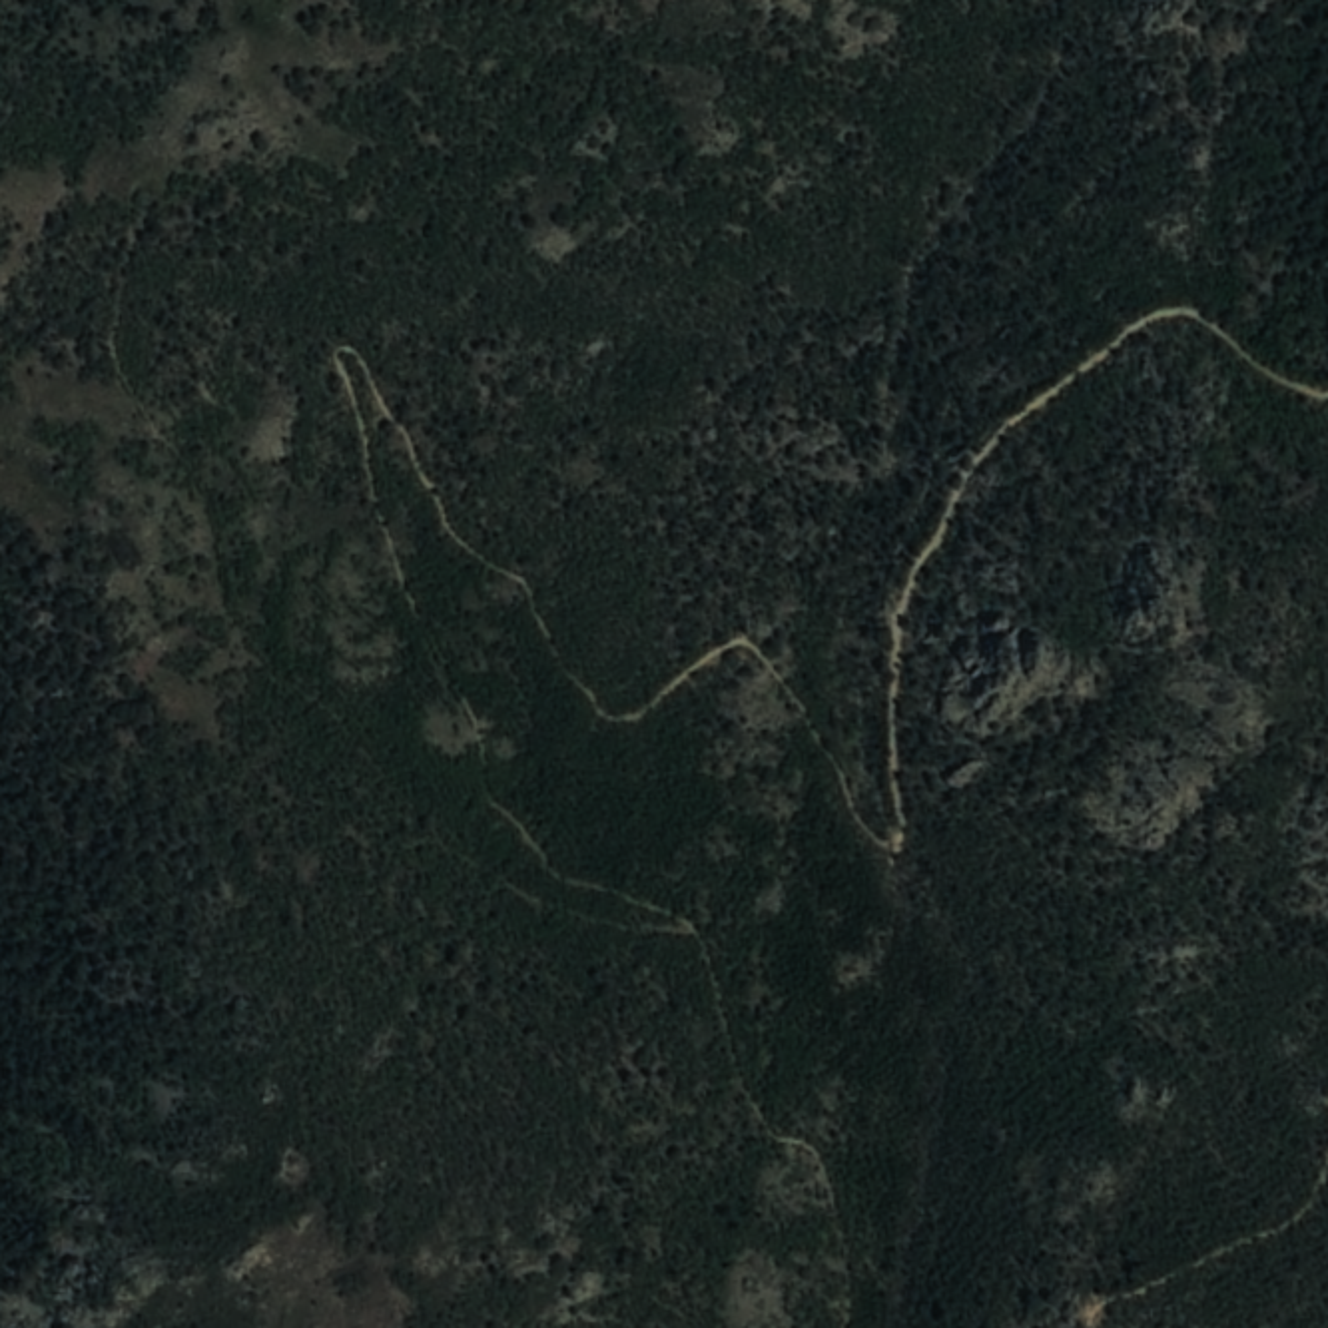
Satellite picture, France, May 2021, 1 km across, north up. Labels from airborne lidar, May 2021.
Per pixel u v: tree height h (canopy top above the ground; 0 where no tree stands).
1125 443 10
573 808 16
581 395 8
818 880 11
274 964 11
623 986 11
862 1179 6
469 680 8
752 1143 16
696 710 8
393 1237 12
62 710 15
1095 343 10
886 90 18
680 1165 11
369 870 12
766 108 10
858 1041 8
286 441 6
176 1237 9
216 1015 9
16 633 14
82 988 14
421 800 11
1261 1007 9
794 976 13
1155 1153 10
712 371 12
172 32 7
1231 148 12
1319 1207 7
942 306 13
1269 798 11
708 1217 14
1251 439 15
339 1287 7
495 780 14
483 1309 11
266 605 7
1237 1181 10
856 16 12
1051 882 10
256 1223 9
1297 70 15
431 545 9
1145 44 8
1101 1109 11
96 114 13
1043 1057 11
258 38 0
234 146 10
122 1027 16
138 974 6
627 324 9
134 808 13
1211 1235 9
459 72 11
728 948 9
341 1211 13
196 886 13
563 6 12
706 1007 10
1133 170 13
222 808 9
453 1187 9
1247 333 10
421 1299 8
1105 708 17
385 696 8
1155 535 9
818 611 14
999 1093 12
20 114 11
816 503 17
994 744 14
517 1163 12
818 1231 14
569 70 12
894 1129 10
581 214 12
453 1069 11
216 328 7
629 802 12
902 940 9
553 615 11
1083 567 9
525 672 13
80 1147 9
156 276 10
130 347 7
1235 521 12
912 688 8
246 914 10
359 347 8
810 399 12
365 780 10
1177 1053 21
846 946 7
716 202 12
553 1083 10
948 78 15
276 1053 8
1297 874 7
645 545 12
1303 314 12
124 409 0
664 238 11
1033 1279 7
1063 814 13
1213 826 19
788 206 15
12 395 8
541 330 9
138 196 9
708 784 10
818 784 12
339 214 13
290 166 7
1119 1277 9
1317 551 7
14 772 8
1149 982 11
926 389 12
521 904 10
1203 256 9
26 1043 13
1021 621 10
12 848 13
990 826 8
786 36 15
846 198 11
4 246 12
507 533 7
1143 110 15
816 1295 12
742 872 10
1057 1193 6
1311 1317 8
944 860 10
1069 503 7
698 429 12
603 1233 13
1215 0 7
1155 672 14
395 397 9
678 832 9
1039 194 10
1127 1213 9
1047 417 7
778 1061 10
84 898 13
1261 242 25
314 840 13
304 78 14
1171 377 11
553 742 14
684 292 11
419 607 7
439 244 12
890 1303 13
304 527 6
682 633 9
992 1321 11
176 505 6
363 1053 8
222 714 10
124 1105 7
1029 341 9
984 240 12
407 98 15
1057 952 15
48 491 0
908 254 18
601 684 9
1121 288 7
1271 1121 8
